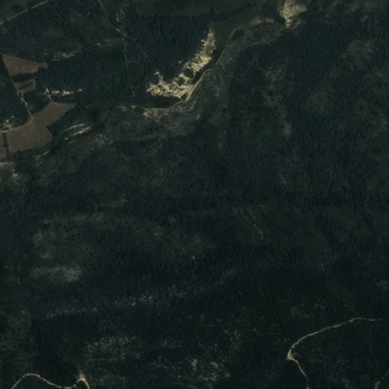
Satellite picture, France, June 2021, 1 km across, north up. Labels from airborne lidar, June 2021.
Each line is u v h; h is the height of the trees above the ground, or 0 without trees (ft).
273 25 0
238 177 24
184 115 0
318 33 24
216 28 0
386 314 49
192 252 19
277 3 0
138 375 24
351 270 38
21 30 20
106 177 22
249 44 0
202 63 0
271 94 20
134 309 25
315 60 27
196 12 0
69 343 22
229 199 25
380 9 0
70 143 0
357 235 19
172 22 35
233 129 19
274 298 44
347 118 21
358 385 24
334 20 25
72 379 41
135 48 26
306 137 24
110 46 0
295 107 26
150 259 35
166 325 32
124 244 34
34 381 33
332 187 27
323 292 24
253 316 31
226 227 21
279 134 21
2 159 0
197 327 23
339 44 24
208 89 0
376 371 38
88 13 23
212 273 43
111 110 30
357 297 26
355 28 24
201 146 18
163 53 43
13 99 33
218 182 28
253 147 22
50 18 31
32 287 34
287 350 24
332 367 21
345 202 21
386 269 25
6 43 22
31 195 35
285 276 43
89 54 34
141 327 27
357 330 23
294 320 24
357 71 23
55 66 31
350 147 24
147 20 48
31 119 0
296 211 22
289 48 27
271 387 30
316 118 33
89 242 20
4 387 20
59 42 20
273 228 23
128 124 0
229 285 29
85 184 22
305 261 36
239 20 0
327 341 21
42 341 43
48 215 23
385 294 26
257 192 28
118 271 44
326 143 32
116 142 22
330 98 23
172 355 29
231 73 0
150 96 20
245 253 33
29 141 0
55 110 0
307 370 41
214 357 22
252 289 40
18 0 0
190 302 30
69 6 33
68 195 24
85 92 21
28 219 31
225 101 0
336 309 23
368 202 19
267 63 23
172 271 28
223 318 32
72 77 31
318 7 19
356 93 21
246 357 25
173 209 36
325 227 35
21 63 0
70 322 23
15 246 24
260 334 22
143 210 18
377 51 19
